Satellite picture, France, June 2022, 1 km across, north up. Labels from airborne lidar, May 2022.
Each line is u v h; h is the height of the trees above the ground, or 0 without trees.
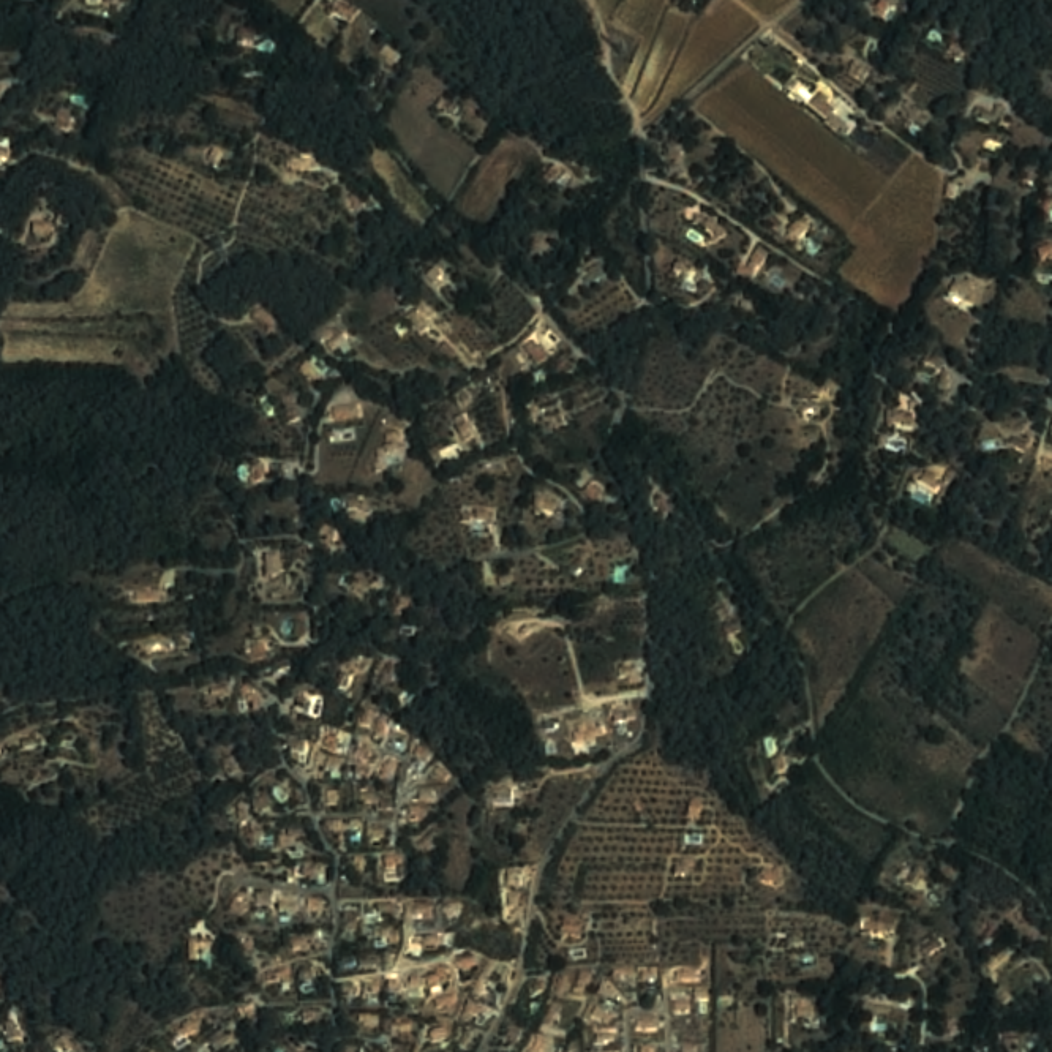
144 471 8
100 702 20
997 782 15
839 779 6
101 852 17
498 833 8
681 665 18
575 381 9
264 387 8
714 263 8
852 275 0
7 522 22
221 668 13
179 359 13
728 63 0
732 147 13
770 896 0
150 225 0
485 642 11
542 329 0
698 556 19
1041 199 11
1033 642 0
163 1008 19
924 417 18
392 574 23
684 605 14
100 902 16
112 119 21
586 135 8
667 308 17
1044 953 21
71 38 23
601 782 9
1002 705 0
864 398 15
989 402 21
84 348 0
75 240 15
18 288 15
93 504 14
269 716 19
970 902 17
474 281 13
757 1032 0
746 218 11
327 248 20
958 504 22
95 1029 19
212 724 16
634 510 19
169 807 8
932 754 0
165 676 16
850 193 0
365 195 17
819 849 10
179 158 11
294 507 0
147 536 23
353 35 0
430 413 6
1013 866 8
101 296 0
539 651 0
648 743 7
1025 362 22
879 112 19
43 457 16
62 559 23
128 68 23
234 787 14
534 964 8
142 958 19
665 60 0
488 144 14
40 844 21
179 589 8
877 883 10
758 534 13
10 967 15
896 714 0
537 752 18
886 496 10
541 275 19
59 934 19
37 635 15
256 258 21
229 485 20
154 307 0
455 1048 5
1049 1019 7
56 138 19
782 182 9
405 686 13
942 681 10
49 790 21
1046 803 13
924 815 0
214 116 17
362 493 12
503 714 12
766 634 20
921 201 0
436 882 20
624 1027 0
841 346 7
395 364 0
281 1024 13
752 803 7
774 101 0
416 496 0
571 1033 6
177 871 9
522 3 19
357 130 20
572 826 7
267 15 14
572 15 21
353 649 21
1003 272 22
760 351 13
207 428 14
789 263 6
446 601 19
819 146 0
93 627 25
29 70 16
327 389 14
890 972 20
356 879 14
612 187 7
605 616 0
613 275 19
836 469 8
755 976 7
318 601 18
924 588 7
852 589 0
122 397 19
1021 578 0
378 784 7
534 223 22
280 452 8
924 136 10
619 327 18
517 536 14
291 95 19
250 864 8
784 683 23
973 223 6
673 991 0
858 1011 8
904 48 20
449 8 19
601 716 0
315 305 21
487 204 0
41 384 14
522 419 10
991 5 21
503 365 11
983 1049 12
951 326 0
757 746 5
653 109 0
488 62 20
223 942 11
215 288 17
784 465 0
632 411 7
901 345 11
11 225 21
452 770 8
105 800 9
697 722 16
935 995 11
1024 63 19
